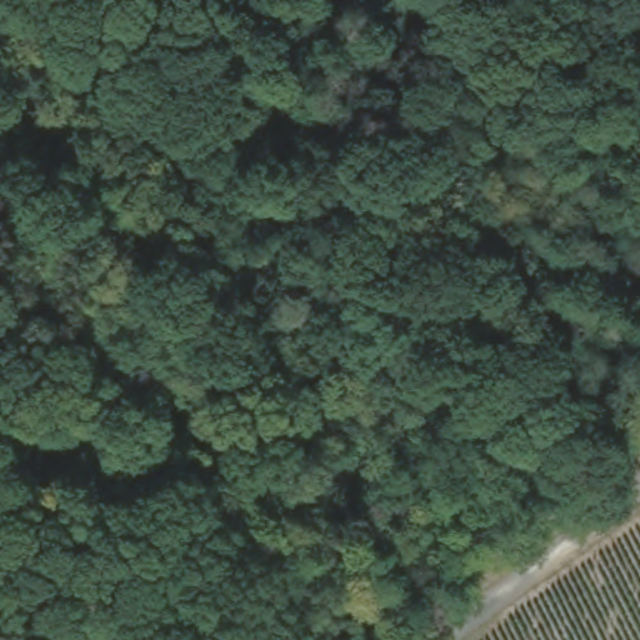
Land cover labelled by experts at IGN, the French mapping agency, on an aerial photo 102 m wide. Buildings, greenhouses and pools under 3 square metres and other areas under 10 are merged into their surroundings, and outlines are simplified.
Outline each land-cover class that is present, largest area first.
<instances>
[{"label":"deciduous trees","instance_id":"1","mask_svg":"<svg viewBox=\"0 0 640 640\"><path fill-rule=\"evenodd\" d=\"M635 493L640 495V0H0V640H455L453 628H463L485 605L480 580L485 575L503 578L510 573H525L533 563L548 555V550L555 543H575L588 533L605 535L620 523H625L635 508Z\"/></svg>","mask_w":640,"mask_h":640},{"label":"vineyard","instance_id":"2","mask_svg":"<svg viewBox=\"0 0 640 640\"><path fill-rule=\"evenodd\" d=\"M480 640H640V525L625 533L615 545L603 548L595 558L585 560L573 573L560 578L553 588L520 605L505 623H500L493 633H488Z\"/></svg>","mask_w":640,"mask_h":640},{"label":"impervious surface","instance_id":"3","mask_svg":"<svg viewBox=\"0 0 640 640\"><path fill-rule=\"evenodd\" d=\"M585 560L575 543H555L548 550V555L533 563L525 573H510L503 578L485 575L480 580L485 605L463 628H453L455 640H480L488 633H493L500 623H505L520 605L553 588L560 578L573 573Z\"/></svg>","mask_w":640,"mask_h":640},{"label":"herbaceous vegetation","instance_id":"4","mask_svg":"<svg viewBox=\"0 0 640 640\"><path fill-rule=\"evenodd\" d=\"M640 525V495L635 493V508L625 523H620L605 535L588 533L575 543L585 560L595 558L603 548L615 545L625 533Z\"/></svg>","mask_w":640,"mask_h":640}]
</instances>
